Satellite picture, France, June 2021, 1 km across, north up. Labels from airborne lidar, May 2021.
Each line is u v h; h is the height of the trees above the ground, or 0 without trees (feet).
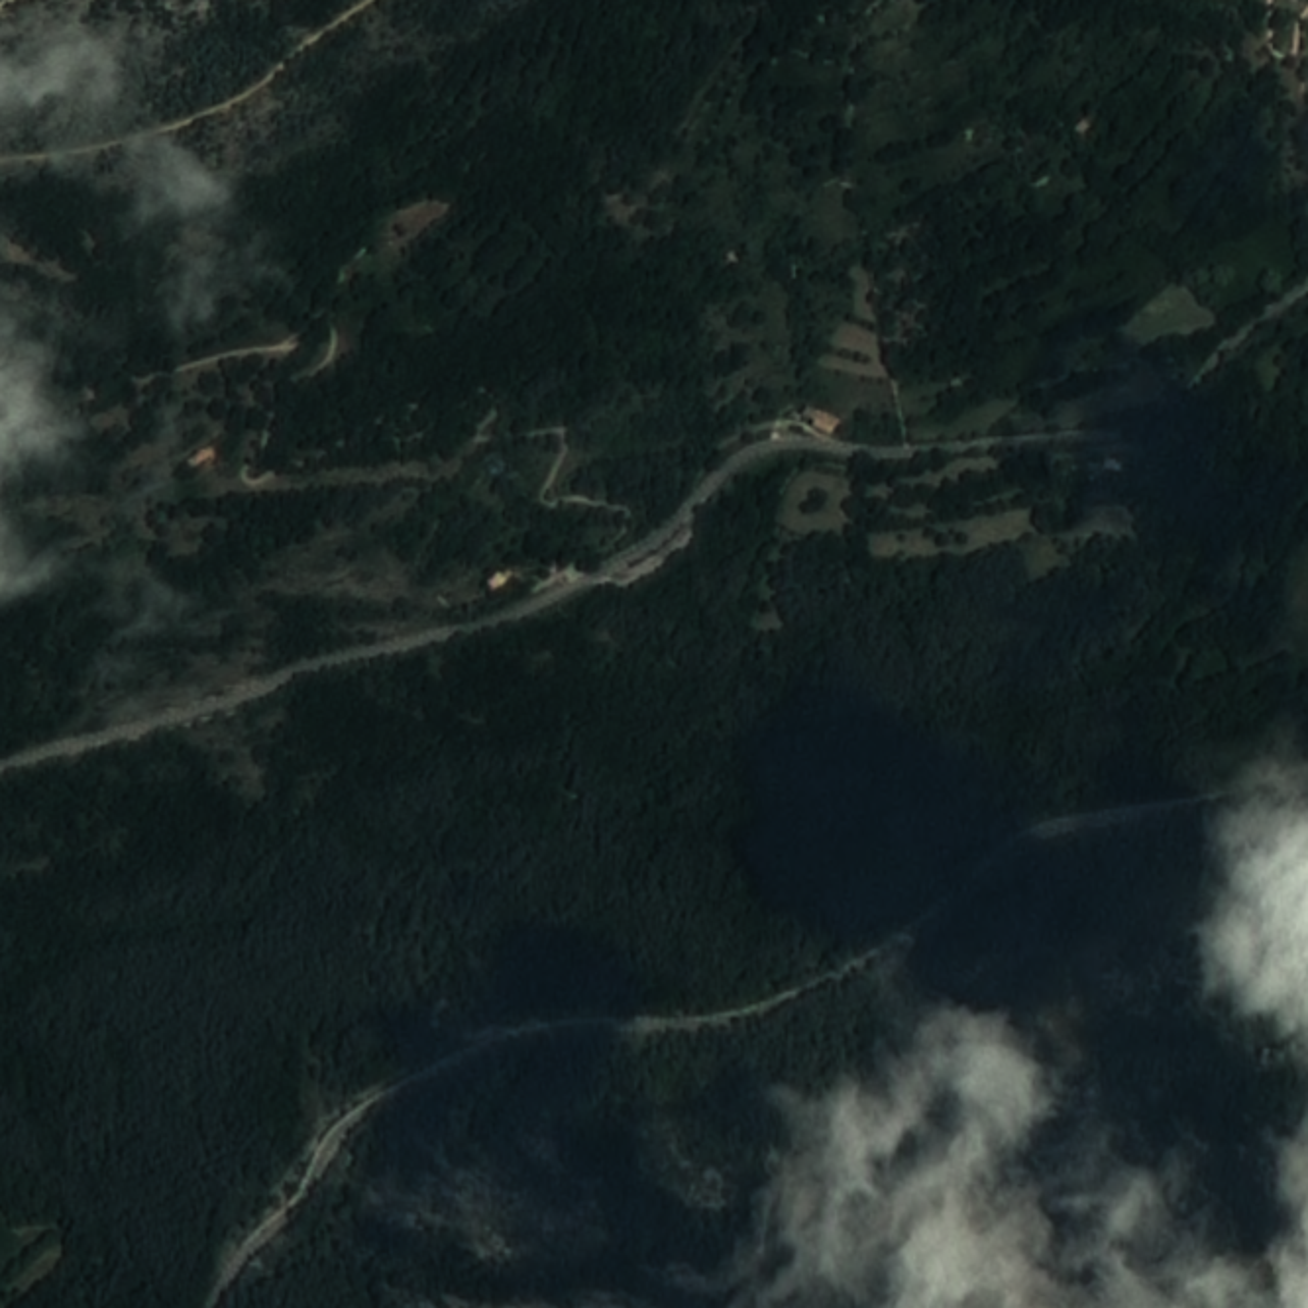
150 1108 52
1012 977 27
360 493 47
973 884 49
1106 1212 0
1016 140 33
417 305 31
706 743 39
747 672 39
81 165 38
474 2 42
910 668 47
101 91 22
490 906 49
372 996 38
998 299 53
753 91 37
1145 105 29
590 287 35
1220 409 57
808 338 35
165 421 35
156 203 41
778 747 67
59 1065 56
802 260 40
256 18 40
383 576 0
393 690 34
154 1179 49
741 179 20
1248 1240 24
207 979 56
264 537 46
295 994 52
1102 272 0
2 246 0
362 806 56
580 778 49
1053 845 29
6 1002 49
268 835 43
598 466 37
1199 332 30
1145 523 43
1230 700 54
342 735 42
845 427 21
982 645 57
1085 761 52
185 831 46
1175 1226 0
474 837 54
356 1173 26
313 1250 29
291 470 37
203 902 60
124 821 49
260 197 32
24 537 47
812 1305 28
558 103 30
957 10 24
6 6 30
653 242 32
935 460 46
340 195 49
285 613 39
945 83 0
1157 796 48
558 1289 39
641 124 36
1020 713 62
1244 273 0
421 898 41
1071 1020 0
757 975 43
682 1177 0
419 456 38
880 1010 42
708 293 31
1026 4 47
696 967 61
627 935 65
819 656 38
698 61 52
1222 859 42
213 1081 55
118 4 35
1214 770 77
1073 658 55
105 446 53
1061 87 25
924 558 29
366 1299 21
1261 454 55
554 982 53
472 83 43
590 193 37
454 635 25
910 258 35
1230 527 65
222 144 30
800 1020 36
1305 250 33
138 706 0
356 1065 48
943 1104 45
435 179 41
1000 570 63
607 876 47
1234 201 41
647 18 32
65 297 35
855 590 39
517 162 57
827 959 40
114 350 39
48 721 34
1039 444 18
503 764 45
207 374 31
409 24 39
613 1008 29
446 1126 47
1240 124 38
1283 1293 20
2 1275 24
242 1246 0
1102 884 45
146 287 37
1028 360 0
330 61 30
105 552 30
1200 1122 52
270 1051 52
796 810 73
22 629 48
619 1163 29
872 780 51
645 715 38
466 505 41
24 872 34
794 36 36
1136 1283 0
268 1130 53
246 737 18
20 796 45
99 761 37
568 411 45
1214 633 47
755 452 0
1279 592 37
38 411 0
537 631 41
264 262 52
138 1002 52
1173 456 51
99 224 40
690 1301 35
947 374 49
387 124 38
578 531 33
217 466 23
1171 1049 45
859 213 29
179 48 42
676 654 45
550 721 38
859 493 37
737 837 68
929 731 56
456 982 39
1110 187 43
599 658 38
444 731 45
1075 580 51
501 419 31
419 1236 32
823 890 56
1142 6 37
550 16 35
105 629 37
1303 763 41
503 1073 49
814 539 40
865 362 30
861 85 33
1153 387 0
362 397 56
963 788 45
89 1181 57
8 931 45
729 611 39
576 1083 45
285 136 29
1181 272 35
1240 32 26
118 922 44
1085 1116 0
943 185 22
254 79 20
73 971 60
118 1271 49
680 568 51
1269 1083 57
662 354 39
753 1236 33
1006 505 43
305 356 48
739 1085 27
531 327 39
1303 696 51
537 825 48
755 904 65
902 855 51
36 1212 35
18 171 30
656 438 20
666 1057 34
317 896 56
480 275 40
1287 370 39
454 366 64
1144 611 41
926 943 49
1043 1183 0
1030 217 33
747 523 49
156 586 28
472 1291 36
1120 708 43
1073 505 43
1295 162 18
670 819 59
